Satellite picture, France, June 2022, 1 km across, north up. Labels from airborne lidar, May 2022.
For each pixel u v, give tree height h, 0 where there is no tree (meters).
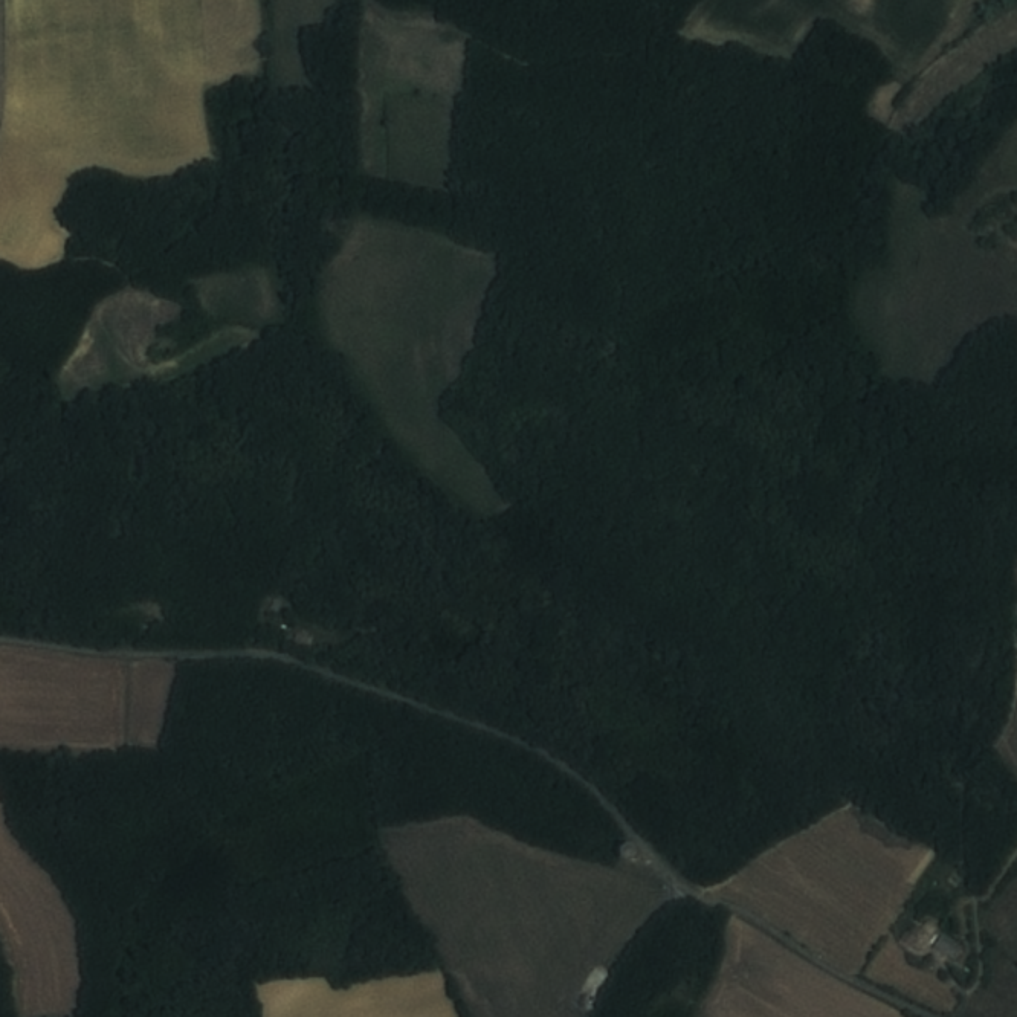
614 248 13
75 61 0
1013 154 0
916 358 0
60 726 0
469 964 0
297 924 7
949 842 15
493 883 0
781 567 19
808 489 28
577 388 13
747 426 17
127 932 25
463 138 18
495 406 9
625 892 0
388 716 14
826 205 17
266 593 14
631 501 18
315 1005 0
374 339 0
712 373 26
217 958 10
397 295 0
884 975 0
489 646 14
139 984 22
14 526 22
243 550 13
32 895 0
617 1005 18
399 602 18
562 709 16
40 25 0
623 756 17
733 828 16
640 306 17
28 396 21
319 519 24
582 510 17
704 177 24
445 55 0
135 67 0
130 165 0
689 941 22
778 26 0
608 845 6
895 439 31
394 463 26
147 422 23
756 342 19
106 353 0
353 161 24
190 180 20
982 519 13
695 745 19
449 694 18
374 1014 0
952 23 0
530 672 21
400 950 19
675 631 14
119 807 14
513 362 13
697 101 19
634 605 14
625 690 23
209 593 13
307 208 19
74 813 18
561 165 12
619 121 9
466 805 13
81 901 14
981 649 16
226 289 0
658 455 18
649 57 11
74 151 0
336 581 24
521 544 12
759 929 0
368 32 0
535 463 13
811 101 19
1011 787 20
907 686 22
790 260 25
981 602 12
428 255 0
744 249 27
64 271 12
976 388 17
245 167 22
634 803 13
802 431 21
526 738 13
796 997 0
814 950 0
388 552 24
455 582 20
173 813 18
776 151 24
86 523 9
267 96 26
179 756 18
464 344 0
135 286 12
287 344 25
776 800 20
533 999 0
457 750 14
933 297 0
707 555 16
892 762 19
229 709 13
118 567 14
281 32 0
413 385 0
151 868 18
